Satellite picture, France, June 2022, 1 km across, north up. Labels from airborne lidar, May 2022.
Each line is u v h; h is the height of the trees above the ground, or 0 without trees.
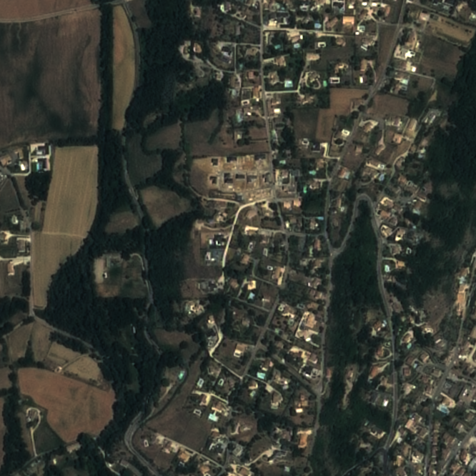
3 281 0
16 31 0
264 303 0
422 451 6
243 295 10
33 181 11
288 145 11
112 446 8
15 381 12
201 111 21
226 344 8
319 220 10
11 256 0
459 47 8
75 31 0
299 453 11
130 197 19
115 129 0
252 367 6
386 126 0
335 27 0
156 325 9
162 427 0
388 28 0
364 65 0
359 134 0
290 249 9
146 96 16
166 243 15
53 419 0
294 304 8
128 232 12
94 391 0
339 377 9
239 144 11
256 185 0
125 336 0
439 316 0
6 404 10
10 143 0
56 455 17
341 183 0
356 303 13
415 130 0
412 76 0
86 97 0
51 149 0
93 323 17
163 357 18
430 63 0
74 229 0
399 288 10
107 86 8
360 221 12
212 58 6
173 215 0
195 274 0
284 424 10
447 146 9
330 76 7
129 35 0
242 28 7
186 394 0
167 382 14
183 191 8
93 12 0
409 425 0
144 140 8
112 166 14
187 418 0
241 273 7
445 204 9
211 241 0
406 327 11
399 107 0
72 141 15
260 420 12
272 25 0
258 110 0
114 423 13
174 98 17
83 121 0
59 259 0
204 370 7
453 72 0
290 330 7
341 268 13
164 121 18
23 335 0
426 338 10
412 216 13
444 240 8
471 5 7
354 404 8
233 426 7
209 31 7
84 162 0
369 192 0
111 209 14
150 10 12
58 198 0
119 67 0
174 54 13
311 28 11
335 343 7
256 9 6
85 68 0
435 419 6
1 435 0
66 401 0
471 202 8
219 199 0
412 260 9
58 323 13
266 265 0
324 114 0
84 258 26
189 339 0
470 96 8
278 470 0
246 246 7
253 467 9
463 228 12
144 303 11
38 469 0
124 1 0
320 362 0
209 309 13
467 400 0
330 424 7
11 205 0
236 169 0
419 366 6
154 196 0
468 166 16
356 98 0
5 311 16
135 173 0
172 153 6
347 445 10
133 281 0
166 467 0
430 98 0
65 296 19
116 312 20
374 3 0
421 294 9
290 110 9
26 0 0
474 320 7
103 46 17
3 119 0
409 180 9
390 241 9
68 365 0
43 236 0
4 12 0
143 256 7
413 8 0
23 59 0
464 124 19
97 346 16
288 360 11
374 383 10
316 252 11
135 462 8
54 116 0
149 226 20
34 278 0
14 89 0
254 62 8
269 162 0
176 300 6
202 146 0
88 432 0
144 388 18
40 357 0
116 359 18
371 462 9
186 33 12
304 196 12
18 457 14
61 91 0
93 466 10
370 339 15
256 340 7
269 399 0
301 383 6
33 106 0
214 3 9
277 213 9
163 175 13
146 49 8
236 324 7
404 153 0
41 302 0
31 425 12
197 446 0
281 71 9
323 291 10
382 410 7
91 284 28
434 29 0
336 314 7
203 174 0
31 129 0
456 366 6
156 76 18
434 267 10
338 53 0
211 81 7
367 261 6
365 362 17
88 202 0
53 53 0
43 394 0
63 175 0
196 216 17
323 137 0
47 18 0
